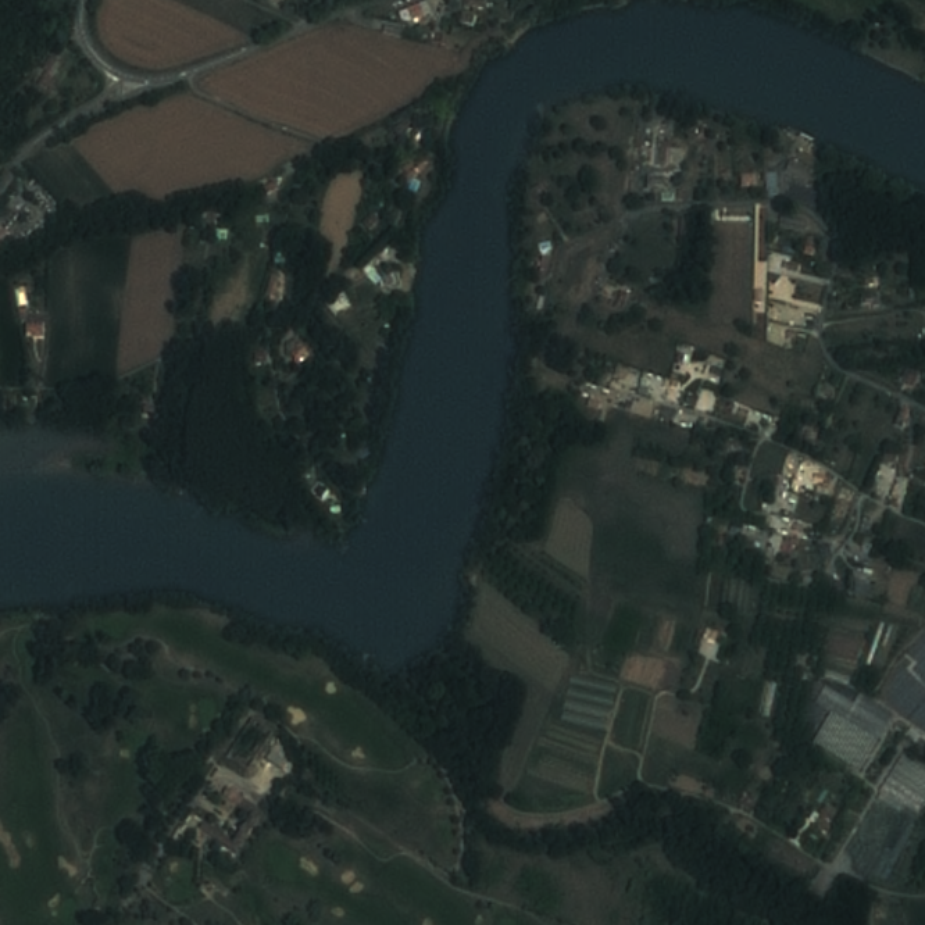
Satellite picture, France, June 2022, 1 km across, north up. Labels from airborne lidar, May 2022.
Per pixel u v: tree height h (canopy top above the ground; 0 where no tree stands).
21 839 0
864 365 6
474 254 0
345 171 13
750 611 0
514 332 26
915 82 0
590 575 0
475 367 0
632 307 7
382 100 0
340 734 0
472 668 13
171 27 0
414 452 0
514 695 36
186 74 0
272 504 35
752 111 0
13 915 0
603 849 9
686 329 0
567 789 0
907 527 0
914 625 0
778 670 8
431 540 0
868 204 28
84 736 0
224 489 34
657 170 0
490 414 0
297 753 10
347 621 0
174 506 0
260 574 0
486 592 0
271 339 8
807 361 0
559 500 0
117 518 0
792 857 0
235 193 23
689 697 10
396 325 25
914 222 23
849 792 8
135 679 19
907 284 7
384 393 32
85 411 19
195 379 24
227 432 35
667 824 20
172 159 0
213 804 13
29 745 0
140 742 0
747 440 13
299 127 0
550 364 24
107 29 0
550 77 0
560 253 0
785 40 0
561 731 0
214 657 0
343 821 0
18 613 8
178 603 15
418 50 0
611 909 0
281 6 6
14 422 25
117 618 0
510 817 0
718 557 14
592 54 0
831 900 15
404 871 0
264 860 0
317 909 12
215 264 14
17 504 0
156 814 15
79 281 0
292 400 19
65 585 0
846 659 0
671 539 0
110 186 0
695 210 10
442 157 22
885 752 7
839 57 0
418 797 0
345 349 18
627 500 0
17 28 19
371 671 18
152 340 0
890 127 0
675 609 0
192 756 20
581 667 0
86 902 0
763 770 0
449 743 35
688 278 20
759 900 22
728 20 0
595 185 13
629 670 0
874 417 0
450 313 0
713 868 24
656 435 0
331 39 0
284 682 0
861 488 8
